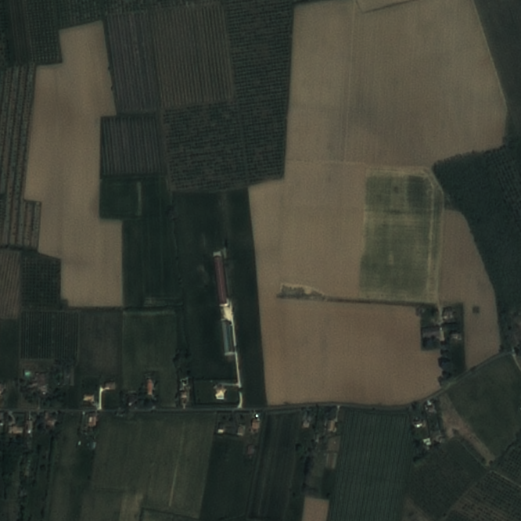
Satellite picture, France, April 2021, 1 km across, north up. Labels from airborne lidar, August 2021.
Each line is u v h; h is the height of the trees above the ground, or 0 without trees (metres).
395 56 0
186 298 0
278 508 0
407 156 0
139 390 6
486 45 0
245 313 0
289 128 0
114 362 0
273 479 0
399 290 0
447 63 0
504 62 0
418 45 0
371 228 0
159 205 0
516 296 16
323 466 0
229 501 0
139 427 0
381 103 0
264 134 5
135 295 0
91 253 0
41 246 0
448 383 17
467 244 0
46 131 0
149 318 0
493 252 16
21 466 8
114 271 0
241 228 0
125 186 0
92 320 0
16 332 0
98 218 0
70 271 0
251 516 0
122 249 0
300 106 0
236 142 5
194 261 0
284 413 0
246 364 0
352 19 0
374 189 0
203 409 0
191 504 0
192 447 0
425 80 0
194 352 0
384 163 0
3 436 8
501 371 0
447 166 15
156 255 0
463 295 0
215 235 0
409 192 0
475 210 13
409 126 0
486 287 0
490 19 0
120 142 9
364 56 0
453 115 0
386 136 0
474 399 0
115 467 0
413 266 0
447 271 0
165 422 0
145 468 0
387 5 0
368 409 0
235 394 0
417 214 0
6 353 0
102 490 0
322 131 0
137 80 8
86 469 0
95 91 0
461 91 0
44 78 0
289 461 0
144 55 6
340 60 0
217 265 0
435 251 0
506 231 15
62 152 0
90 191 0
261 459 0
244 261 0
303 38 0
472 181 19
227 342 0
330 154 0
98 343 0
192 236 0
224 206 0
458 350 0
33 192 0
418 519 0
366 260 0
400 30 0
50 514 0
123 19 6
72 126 0
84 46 0
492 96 0
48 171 0
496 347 0
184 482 0
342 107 0
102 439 0
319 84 0
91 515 0
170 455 0
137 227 0
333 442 0
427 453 7
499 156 10
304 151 0
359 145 0
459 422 0
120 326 0
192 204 0
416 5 0
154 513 0
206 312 0
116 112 0
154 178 0
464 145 0
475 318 0
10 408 0
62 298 0
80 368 0
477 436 0
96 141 0
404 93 0
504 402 0
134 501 0
